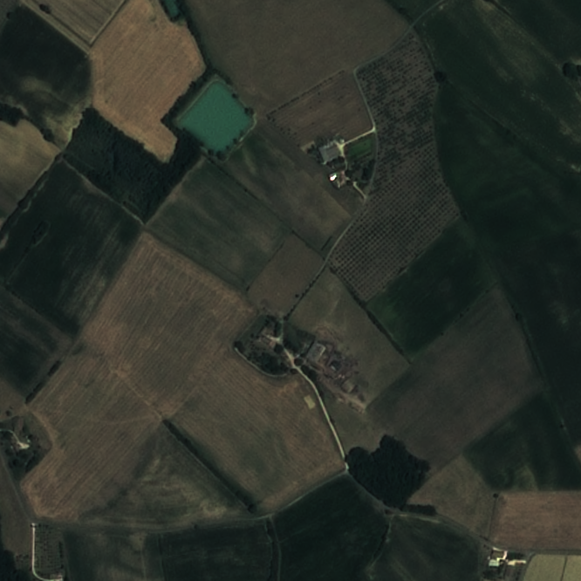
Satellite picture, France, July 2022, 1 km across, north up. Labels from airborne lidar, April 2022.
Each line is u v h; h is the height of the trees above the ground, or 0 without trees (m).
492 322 0
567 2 0
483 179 0
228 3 0
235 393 0
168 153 0
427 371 0
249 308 0
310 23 0
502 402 0
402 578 0
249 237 0
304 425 0
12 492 0
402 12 12
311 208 0
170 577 0
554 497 0
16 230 0
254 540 0
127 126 0
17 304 0
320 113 0
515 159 0
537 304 0
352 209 0
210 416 0
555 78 0
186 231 0
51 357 0
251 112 11
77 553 0
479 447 0
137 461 0
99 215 0
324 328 0
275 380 0
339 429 0
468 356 0
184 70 0
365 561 0
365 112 0
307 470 0
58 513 0
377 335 0
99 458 0
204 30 0
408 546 0
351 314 0
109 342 0
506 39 0
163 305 0
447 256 0
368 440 0
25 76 0
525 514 0
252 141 0
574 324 0
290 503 0
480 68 0
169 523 0
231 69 0
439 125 0
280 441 0
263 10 0
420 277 0
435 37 0
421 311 0
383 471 17
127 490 0
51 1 0
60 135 0
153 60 0
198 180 0
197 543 0
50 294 0
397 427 0
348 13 0
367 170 10
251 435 0
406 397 0
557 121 0
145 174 6
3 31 0
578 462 0
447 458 0
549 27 0
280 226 0
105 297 0
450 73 0
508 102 0
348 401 0
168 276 0
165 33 0
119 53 0
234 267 0
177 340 0
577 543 0
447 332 0
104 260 0
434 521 0
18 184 0
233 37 0
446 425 0
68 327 0
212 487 0
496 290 0
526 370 0
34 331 0
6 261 0
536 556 0
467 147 0
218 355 0
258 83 0
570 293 0
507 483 0
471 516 0
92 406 0
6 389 0
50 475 0
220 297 0
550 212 0
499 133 0
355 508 0
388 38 0
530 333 0
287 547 0
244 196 0
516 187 0
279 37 0
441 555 0
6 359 0
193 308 0
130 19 0
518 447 0
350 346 0
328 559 0
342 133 0
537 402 0
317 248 0
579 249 0
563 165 0
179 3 12
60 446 0
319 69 0
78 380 0
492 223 0
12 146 0
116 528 0
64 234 0
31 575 0
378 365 0
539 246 0
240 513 0
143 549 0
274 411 0
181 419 0
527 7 0
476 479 0
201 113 0
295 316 0
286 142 0
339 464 0
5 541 0
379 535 0
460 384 0
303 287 0
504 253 0
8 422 0
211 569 0
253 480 0
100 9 0
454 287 0
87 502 0
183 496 0
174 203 0
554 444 0
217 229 0
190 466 0
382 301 0
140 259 0
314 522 0
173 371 0
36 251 0
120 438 0
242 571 0
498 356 0
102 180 13
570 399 0
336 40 0
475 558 0
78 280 0
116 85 0
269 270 0
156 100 0
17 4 0
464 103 0
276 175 0
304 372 8
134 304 0
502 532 0
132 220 0
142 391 0
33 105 0
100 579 0
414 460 13
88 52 0
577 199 0
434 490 0
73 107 0
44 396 0
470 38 0
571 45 0
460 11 0
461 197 0
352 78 0
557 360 0
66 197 0
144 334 0
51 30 0
